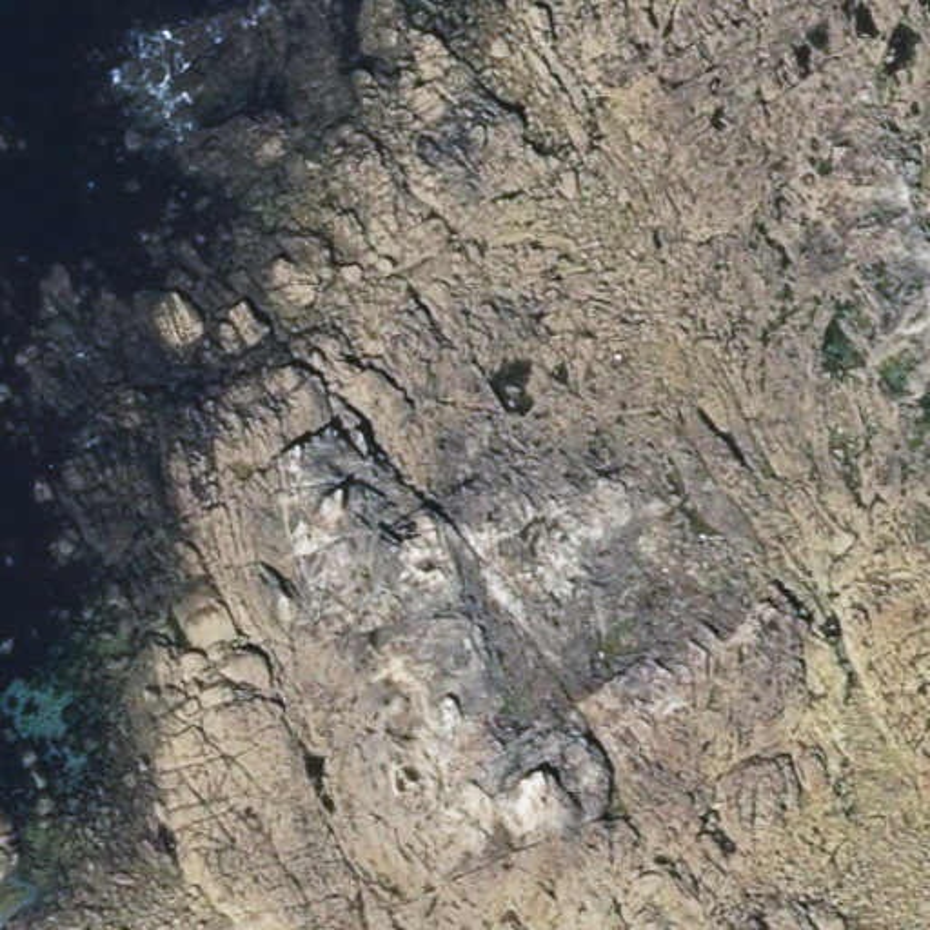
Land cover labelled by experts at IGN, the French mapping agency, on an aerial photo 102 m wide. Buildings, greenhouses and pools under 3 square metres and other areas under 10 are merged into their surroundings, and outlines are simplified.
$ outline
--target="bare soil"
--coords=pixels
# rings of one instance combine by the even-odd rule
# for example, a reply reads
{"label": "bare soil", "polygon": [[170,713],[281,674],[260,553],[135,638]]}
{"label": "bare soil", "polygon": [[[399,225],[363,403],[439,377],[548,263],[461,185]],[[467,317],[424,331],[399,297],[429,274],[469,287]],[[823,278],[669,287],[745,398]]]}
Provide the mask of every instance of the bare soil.
{"label": "bare soil", "polygon": [[91,589],[98,592],[98,599],[84,603],[84,621],[73,632],[73,643],[87,647],[84,661],[73,661],[69,668],[54,672],[44,687],[25,687],[18,679],[0,694],[0,712],[15,719],[4,730],[7,741],[33,737],[29,752],[22,756],[25,781],[0,792],[0,930],[930,930],[930,0],[258,0],[247,15],[225,11],[214,18],[193,18],[174,33],[131,29],[138,36],[138,54],[131,51],[127,62],[113,69],[113,87],[142,94],[131,109],[124,109],[124,116],[131,116],[131,127],[124,134],[127,149],[178,145],[182,171],[203,178],[196,211],[178,211],[178,203],[167,200],[160,225],[153,233],[138,233],[153,265],[167,272],[171,298],[116,298],[113,291],[102,294],[98,287],[73,287],[69,272],[54,269],[44,280],[47,327],[33,327],[33,345],[25,345],[15,356],[15,363],[29,374],[29,385],[18,392],[0,385],[0,432],[7,432],[11,443],[25,443],[29,454],[44,454],[47,472],[40,476],[33,494],[36,501],[62,501],[76,519],[76,527],[65,530],[62,541],[54,541],[54,552],[84,559],[91,567]]}

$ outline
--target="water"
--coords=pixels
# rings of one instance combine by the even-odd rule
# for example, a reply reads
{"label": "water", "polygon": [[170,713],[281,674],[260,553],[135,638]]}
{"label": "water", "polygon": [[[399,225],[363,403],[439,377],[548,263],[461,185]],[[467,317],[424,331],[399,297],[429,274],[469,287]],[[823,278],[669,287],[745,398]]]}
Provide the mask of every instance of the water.
{"label": "water", "polygon": [[44,687],[54,672],[69,668],[73,661],[84,661],[87,647],[73,643],[73,632],[84,621],[84,603],[98,599],[98,592],[91,589],[91,567],[84,559],[54,552],[54,541],[62,541],[65,530],[76,527],[76,519],[62,501],[36,501],[33,494],[40,476],[47,472],[44,454],[29,454],[25,443],[11,443],[7,432],[0,432],[0,694],[18,679],[25,687]]}
{"label": "water", "polygon": [[4,730],[15,719],[0,712],[0,792],[25,781],[22,756],[29,752],[33,737],[7,741]]}
{"label": "water", "polygon": [[214,18],[225,11],[247,15],[258,0],[0,0],[0,385],[18,392],[29,385],[29,374],[15,363],[15,356],[25,345],[33,345],[33,327],[47,327],[44,280],[54,269],[69,272],[73,287],[98,287],[102,294],[113,291],[116,298],[171,298],[167,272],[153,265],[138,233],[153,233],[160,225],[167,200],[178,203],[178,211],[196,211],[203,178],[182,171],[178,145],[127,149],[124,134],[131,127],[131,116],[124,116],[124,109],[131,109],[142,94],[113,87],[113,69],[127,62],[131,51],[138,54],[138,36],[131,29],[174,33],[193,18]]}

